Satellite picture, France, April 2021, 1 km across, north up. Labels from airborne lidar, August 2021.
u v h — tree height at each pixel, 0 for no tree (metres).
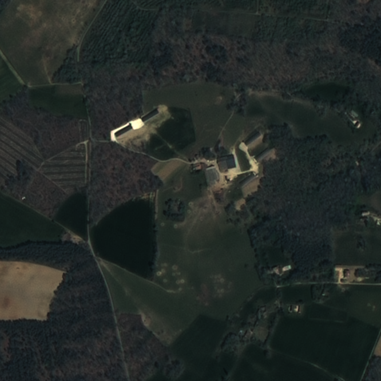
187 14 15
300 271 17
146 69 16
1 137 0
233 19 0
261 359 0
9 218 0
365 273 13
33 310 0
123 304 0
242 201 0
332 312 0
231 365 0
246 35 0
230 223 14
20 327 20
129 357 15
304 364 0
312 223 21
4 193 16
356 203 18
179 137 0
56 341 21
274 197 11
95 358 16
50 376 10
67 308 17
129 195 8
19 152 0
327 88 0
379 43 25
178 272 0
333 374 0
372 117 19
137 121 0
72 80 11
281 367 0
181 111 0
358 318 0
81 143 0
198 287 0
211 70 23
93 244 0
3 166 0
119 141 0
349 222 13
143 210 0
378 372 22
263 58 22
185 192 0
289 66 15
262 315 11
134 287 0
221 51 16
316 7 13
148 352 18
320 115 10
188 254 0
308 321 0
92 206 11
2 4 16
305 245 24
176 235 0
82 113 0
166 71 10
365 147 16
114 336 15
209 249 0
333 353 0
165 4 14
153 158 0
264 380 0
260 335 0
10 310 0
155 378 0
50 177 0
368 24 16
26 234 0
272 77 17
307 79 14
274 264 0
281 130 13
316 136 0
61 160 0
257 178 0
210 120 0
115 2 10
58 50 0
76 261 16
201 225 0
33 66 0
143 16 9
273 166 16
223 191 0
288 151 18
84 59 11
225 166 0
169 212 6
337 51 15
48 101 0
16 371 20
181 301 0
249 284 0
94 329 15
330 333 0
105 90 14
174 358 0
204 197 0
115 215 0
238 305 0
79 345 24
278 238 21
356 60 13
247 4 8
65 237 0
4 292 0
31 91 0
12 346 19
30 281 0
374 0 11
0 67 0
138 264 0
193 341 0
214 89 0
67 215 0
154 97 0
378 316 0
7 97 0
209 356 0
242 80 19
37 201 7
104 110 16
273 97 0
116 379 23
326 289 8
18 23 0
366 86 18
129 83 16
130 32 13
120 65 15
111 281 0
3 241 0
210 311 0
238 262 0
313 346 0
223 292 0
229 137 0
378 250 0
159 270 0
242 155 0
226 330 0
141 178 9
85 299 16
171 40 17
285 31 7
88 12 0
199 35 16
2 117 0
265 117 0
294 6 13
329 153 17
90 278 18
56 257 18
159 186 11
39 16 0
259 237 14
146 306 0
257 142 0
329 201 20
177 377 11
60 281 0
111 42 8
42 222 0
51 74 0
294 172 17
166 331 0
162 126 0
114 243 0
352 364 0
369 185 18
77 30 0
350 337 0
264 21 7
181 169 0
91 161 16
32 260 18
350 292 0
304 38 18
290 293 0
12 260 17
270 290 0
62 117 5
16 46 0
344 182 22
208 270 0
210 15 0
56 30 0
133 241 0
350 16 14
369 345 0
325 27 11
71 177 0
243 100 9
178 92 0
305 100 21
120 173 7
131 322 0
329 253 24
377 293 0
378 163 21
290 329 0
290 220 19
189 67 11
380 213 8
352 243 0
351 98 22
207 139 0
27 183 14
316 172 12
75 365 13
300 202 26
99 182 11
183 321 0
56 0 0
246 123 0
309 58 18
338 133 0
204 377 0
